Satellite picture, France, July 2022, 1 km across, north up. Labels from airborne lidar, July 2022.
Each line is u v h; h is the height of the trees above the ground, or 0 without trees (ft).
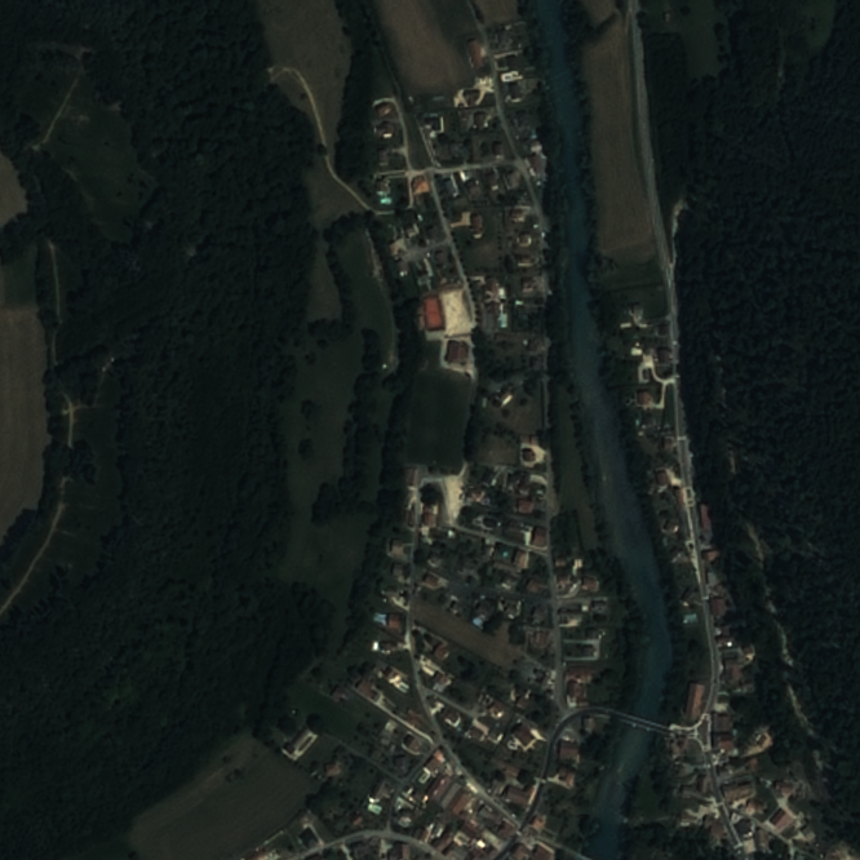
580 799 18
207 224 104
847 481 63
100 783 57
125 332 29
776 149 49
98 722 99
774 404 71
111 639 78
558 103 0
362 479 73
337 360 0
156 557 56
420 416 0
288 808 0
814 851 22
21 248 29
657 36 24
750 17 71
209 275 58
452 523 0
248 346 52
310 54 0
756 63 87
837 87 69
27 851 56
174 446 56
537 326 48
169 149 80
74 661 46
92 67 64
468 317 0
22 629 67
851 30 49
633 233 0
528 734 0
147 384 76
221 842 0
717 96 40
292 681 69
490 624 37
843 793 83
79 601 62
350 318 44
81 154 0
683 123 31
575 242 0
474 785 0
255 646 66
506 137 0
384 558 33
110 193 0
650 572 0
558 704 0
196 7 100
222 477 46
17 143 68
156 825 0
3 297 0
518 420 0
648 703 0
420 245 21
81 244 102
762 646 21
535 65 51
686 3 0
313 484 0
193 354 61
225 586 86
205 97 74
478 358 52
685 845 52
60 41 73
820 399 84
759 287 54
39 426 0
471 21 0
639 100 0
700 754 0
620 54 0
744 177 72
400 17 0
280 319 86
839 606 94
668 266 0
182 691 81
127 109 63
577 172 0
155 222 68
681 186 22
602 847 0
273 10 0
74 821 54
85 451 85
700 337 58
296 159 94
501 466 0
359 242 0
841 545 74
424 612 0
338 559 0
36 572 0
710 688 0
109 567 55
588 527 0
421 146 0
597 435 0
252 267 55
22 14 64
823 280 94
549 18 0
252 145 72
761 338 90
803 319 82
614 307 22
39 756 102
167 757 65
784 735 60
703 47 0
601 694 0
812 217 83
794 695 86
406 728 0
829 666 69
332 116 0
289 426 0
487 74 0
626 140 0
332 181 0
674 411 0
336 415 0
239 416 50
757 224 72
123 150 0
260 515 103
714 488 78
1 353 0
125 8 94
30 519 84
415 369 49
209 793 0
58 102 0
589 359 0
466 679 53
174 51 122
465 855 0
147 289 29
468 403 0
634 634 66
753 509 117
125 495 50
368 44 25
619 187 0
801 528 98
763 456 99
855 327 81
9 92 91
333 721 0
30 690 62
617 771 0
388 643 0
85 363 82
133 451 84
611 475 0
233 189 94
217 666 88
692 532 0
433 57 0
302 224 46
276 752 34
